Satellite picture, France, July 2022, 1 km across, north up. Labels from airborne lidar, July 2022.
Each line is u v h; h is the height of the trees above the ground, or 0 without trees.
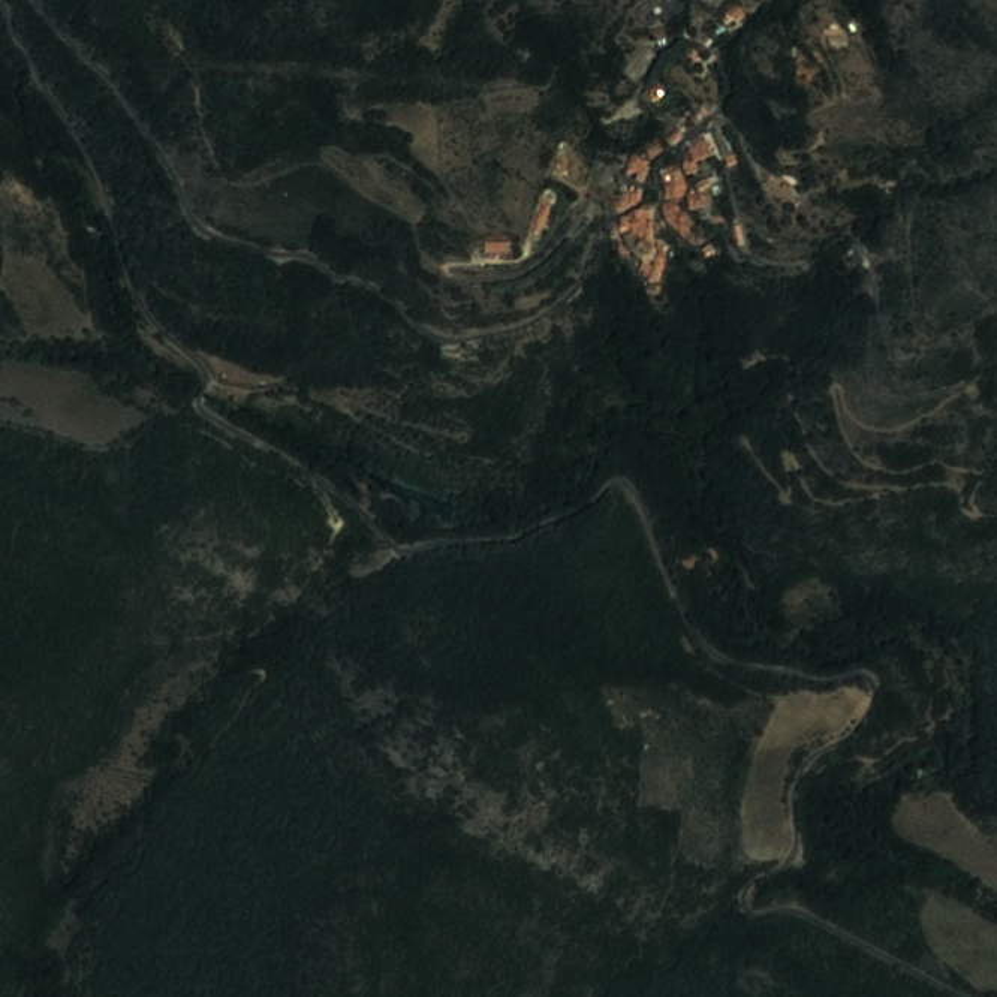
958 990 8
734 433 12
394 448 14
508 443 7
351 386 11
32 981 7
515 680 6
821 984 6
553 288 7
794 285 7
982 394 7
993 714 8
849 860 14
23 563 6
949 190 7
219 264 8
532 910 6
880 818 7
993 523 7
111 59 7
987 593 9
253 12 6
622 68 9
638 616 8
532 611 7
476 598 6
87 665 7
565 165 0
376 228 6
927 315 0
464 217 0
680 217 0
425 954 6
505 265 0
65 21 7
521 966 7
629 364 19
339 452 8
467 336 0
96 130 8
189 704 7
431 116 0
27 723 6
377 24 9
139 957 7
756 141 6
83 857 7
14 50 6
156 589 6
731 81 6
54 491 6
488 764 7
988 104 6
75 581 6
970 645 8
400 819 8
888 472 5
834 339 7
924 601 9
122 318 12
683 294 18
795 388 7
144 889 6
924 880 7
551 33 6
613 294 11
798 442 9
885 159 6
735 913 9
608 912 7
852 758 13
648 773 0
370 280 10
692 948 10
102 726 7
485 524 12
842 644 27
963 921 0
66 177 8
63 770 8
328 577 7
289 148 10
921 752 9
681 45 17
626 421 8
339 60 8
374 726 6
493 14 11
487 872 6
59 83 6
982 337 12
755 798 0
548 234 6
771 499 5
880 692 6
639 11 0
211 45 7
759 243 8
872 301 7
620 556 7
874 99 0
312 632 6
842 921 6
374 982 5
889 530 7
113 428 0
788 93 6
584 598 6
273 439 8
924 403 0
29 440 6
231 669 10
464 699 6
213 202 0
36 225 0
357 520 9
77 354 11
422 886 6
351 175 0
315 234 8
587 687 6
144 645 5
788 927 7
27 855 7
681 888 7
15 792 7
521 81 10
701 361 16
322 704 6
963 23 8
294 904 6
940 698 6
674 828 6
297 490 7
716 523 11
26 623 5
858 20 12
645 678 12
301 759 5
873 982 6
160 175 10
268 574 6
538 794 6
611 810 6
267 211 0
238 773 6
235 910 6
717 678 9
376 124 7
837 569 8
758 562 8
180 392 15
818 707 0
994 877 0
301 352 12
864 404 0
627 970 9
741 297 9
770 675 8
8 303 8
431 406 9
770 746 0
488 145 0
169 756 7
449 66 7
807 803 12
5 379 0
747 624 7
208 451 6
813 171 9
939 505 7
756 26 9
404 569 8
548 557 6
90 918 9
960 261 0
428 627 6
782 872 7
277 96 9
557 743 6
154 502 6
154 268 6
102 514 5
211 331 7
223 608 6
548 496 13
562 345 6
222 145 7
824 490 6
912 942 8
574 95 13
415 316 12
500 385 9
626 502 7
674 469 14
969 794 8
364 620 6
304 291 12
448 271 0
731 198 8
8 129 9
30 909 6
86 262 16
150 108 6
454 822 6
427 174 7
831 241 12
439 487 14
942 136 7
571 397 20
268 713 6
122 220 8
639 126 9
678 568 11
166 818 6
